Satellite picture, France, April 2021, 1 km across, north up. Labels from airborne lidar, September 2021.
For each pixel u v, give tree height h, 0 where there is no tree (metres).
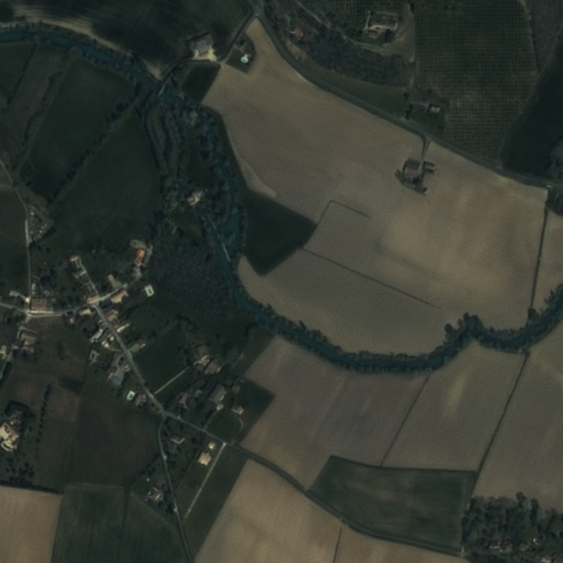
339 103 0
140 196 0
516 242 0
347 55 24
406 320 0
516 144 0
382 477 0
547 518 23
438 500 0
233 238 8
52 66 0
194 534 0
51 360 0
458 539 0
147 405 12
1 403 0
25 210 0
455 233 0
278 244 0
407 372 16
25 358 6
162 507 14
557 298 13
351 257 0
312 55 20
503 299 0
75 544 0
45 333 0
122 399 9
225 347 0
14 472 10
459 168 0
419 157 0
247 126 0
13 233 0
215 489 0
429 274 0
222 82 0
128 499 0
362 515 0
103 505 0
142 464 0
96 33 0
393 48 0
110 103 0
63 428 0
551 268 0
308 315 0
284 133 0
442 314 0
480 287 0
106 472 0
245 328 0
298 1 17
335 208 0
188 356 17
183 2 0
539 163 0
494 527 14
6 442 0
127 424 0
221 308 7
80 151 0
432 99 20
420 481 0
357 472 0
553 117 0
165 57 0
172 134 32
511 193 0
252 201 0
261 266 0
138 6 0
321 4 20
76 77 0
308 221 0
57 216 0
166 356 0
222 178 8
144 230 0
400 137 0
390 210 0
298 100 0
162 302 0
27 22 0
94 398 0
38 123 16
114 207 0
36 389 0
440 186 0
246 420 0
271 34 0
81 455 0
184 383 0
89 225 0
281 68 0
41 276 13
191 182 8
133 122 0
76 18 0
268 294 0
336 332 0
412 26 0
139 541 0
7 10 0
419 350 0
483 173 0
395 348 0
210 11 0
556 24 15
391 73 21
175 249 15
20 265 0
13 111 0
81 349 0
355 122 0
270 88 0
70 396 0
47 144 0
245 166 0
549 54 14
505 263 0
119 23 0
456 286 0
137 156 0
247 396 0
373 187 0
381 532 0
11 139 0
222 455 0
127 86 0
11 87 0
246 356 0
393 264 0
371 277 0
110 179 0
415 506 0
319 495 0
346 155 0
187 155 22
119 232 0
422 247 0
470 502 0
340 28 20
